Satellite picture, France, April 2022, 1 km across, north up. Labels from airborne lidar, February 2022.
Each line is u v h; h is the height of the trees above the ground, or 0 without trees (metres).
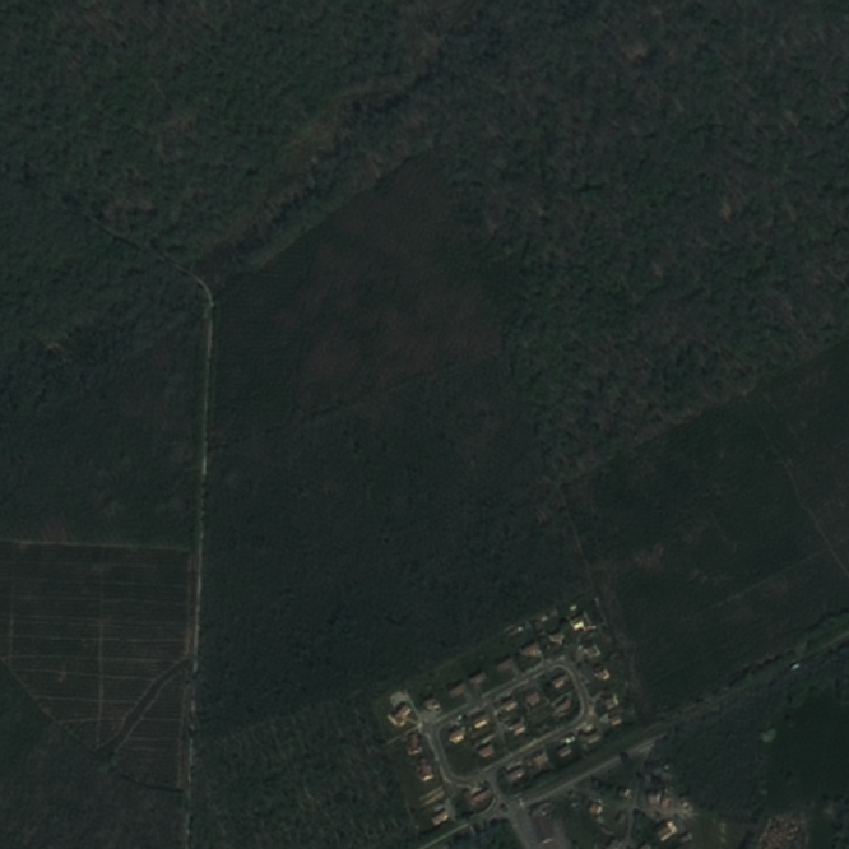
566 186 26
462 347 12
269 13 26
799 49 27
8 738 0
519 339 23
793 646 11
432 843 0
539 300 19
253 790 0
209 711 19
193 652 0
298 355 10
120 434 14
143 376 13
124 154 24
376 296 9
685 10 25
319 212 23
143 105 24
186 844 0
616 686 0
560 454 27
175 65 29
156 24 28
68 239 25
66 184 25
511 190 31
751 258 23
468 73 26
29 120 23
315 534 14
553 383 27
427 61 0
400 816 0
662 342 27
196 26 27
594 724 0
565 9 23
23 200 29
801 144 25
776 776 0
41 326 24
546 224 26
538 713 0
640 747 0
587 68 24
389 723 0
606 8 26
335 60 24
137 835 0
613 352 31
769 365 25
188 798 0
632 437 25
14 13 22
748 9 29
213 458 14
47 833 0
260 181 24
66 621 0
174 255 19
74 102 27
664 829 0
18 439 13
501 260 17
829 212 27
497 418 15
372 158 26
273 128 27
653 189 26
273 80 24
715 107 28
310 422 13
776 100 30
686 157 24
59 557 0
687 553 7
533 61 29
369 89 24
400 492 17
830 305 25
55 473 0
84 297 24
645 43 27
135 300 21
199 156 23
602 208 26
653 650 7
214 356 7
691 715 0
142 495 12
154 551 0
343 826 0
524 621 14
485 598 17
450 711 0
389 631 14
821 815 0
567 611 0
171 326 22
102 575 0
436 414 18
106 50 24
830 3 25
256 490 19
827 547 6
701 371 23
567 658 0
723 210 28
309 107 20
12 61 27
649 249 29
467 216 14
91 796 0
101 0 27
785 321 28
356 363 11
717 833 0
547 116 29
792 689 17
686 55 28
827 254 26
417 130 27
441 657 17
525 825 0
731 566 6
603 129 26
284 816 0
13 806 0
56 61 26
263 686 16
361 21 25
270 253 26
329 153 0
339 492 14
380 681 16
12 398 18
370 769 0
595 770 0
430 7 24
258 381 6
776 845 0
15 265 27
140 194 28
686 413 24
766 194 31
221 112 21
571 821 0
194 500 15
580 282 24
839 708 0
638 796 0
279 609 14
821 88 24
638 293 26
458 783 0
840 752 0
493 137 24
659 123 25
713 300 27
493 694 0
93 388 19
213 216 25
